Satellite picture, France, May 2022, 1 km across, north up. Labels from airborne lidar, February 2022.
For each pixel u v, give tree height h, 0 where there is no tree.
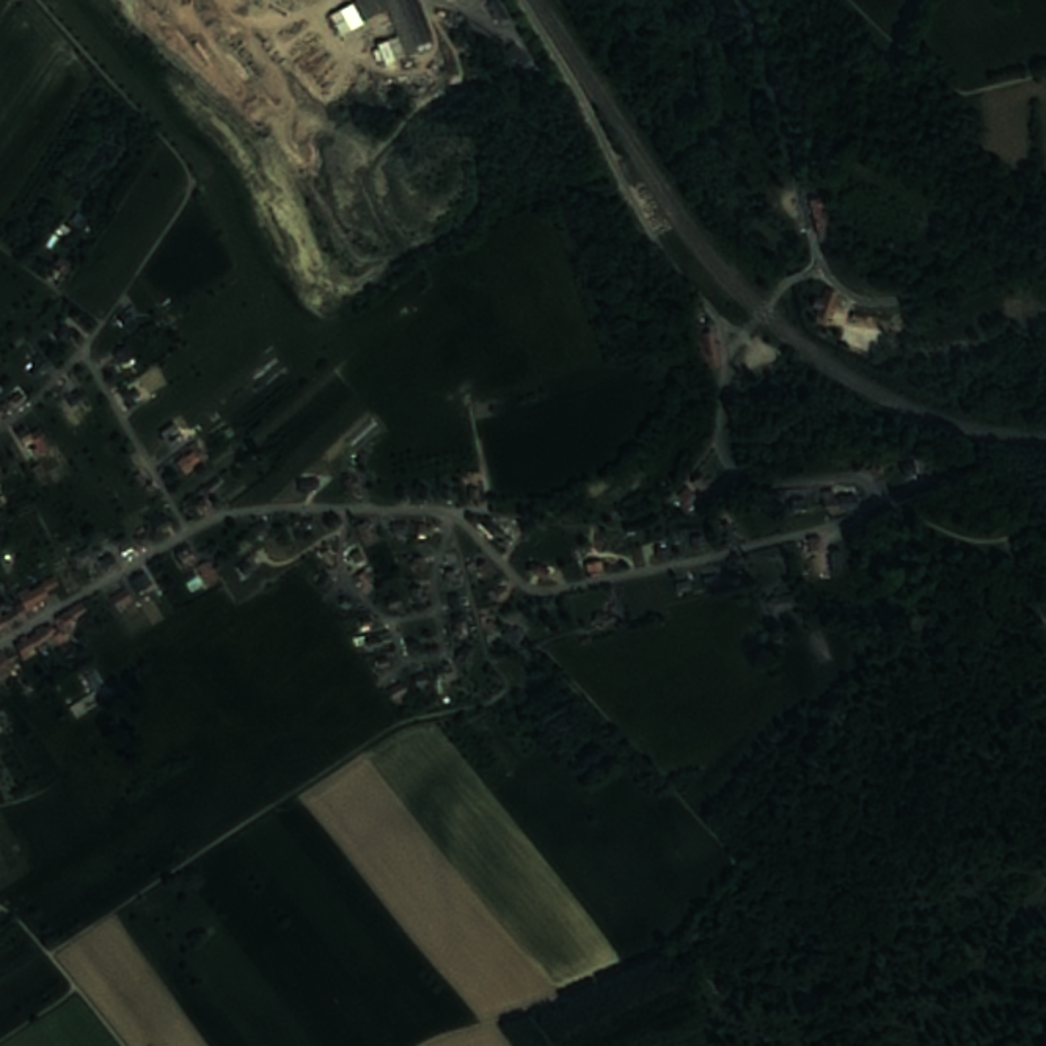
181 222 0
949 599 18
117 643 0
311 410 0
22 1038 0
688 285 15
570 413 0
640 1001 19
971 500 18
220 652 0
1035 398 22
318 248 0
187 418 0
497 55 13
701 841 0
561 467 0
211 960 0
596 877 0
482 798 0
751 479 23
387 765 0
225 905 0
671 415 8
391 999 0
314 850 0
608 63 7
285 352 0
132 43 0
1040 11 0
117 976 0
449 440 0
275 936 0
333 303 0
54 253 0
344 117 0
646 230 0
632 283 27
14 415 0
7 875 0
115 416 0
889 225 6
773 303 0
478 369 0
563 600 9
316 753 0
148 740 0
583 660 0
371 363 0
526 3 0
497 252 0
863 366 0
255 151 0
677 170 23
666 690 0
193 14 0
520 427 0
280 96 0
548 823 0
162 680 0
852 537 25
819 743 26
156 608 0
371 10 0
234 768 0
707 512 21
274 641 0
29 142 0
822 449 19
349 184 0
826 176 23
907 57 25
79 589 0
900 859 12
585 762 19
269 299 0
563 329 0
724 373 0
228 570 0
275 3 0
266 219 0
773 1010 33
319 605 0
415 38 0
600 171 9
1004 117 0
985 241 25
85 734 0
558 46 0
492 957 0
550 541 0
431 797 0
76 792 0
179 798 0
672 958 15
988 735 8
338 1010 0
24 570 0
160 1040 0
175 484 14
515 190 10
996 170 20
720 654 0
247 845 0
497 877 0
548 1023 17
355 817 0
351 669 0
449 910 0
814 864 15
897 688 18
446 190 0
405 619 0
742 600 17
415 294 0
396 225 0
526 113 12
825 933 15
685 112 25
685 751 0
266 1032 0
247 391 0
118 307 0
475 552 0
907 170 22
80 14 0
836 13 18
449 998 0
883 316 0
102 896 0
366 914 0
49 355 14
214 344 0
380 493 0
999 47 0
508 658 11
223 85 0
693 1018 0
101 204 11
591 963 0
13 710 0
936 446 30
